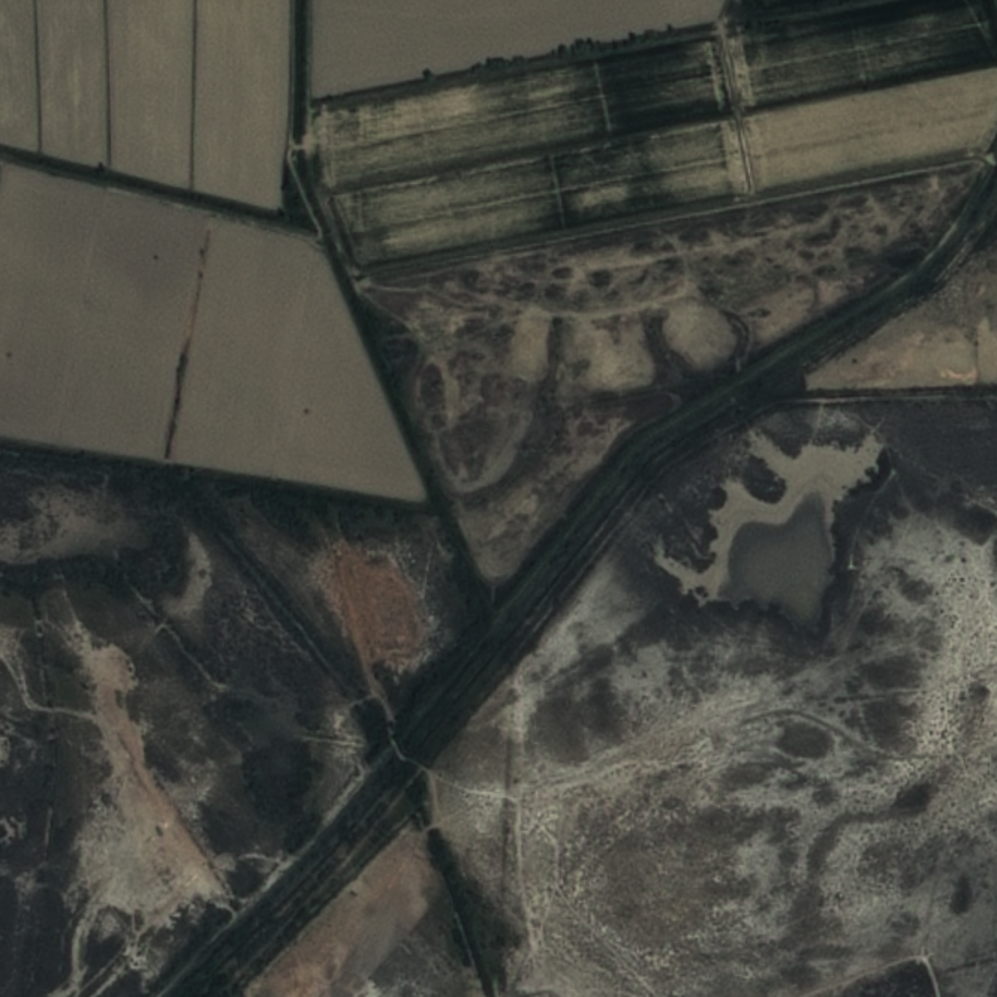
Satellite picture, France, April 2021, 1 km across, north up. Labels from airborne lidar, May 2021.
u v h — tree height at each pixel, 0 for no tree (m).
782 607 0
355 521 6
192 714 0
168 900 0
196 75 0
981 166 0
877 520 0
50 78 0
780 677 0
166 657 0
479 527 0
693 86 0
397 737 6
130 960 0
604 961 0
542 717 0
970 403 0
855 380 0
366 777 0
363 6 0
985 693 0
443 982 0
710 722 0
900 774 0
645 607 0
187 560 0
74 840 0
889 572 0
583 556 0
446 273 0
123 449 0
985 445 0
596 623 0
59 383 0
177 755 0
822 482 0
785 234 0
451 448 0
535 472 0
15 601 0
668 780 0
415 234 0
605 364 0
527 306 0
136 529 0
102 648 0
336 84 0
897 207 0
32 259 0
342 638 0
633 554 0
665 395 0
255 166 0
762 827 0
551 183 0
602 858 0
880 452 0
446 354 0
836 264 0
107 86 0
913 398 0
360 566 0
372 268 0
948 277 0
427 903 0
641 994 0
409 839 0
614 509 0
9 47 0
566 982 0
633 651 0
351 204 0
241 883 0
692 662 0
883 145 0
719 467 0
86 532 0
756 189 0
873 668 0
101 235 0
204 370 0
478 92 0
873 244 0
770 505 0
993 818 0
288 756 0
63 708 0
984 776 0
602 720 0
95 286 0
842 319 0
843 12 0
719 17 0
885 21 0
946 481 0
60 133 0
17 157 0
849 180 0
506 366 0
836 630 0
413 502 0
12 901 0
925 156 0
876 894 0
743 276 0
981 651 0
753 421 0
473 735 0
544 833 0
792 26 0
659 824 0
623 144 0
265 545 0
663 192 0
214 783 0
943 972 0
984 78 0
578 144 0
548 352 0
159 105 0
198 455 0
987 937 0
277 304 0
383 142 0
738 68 0
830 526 0
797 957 0
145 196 0
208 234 0
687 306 0
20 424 0
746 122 0
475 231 0
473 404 0
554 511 0
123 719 0
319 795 0
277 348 0
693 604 0
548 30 0
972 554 0
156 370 0
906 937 0
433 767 0
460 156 0
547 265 0
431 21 0
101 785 0
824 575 0
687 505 0
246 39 0
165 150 0
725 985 0
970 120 0
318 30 0
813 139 0
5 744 0
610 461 0
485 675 0
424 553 0
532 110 0
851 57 0
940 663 0
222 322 0
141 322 0
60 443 0
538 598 0
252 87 0
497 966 0
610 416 0
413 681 0
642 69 0
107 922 0
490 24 0
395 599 0
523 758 0
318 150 0
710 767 0
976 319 0
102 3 0
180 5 0
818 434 0
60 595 0
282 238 0
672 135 0
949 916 0
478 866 0
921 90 0
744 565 0
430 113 0
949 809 0
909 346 0
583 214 0
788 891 0
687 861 0
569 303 0
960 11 0
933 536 0
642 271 0
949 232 0
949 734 0
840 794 0
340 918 0
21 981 0
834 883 0
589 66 0
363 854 0
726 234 0
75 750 0
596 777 0
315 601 0
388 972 0
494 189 0
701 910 0
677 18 0
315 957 0
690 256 0
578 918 0
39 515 0
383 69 0
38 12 0
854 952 0
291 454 0
